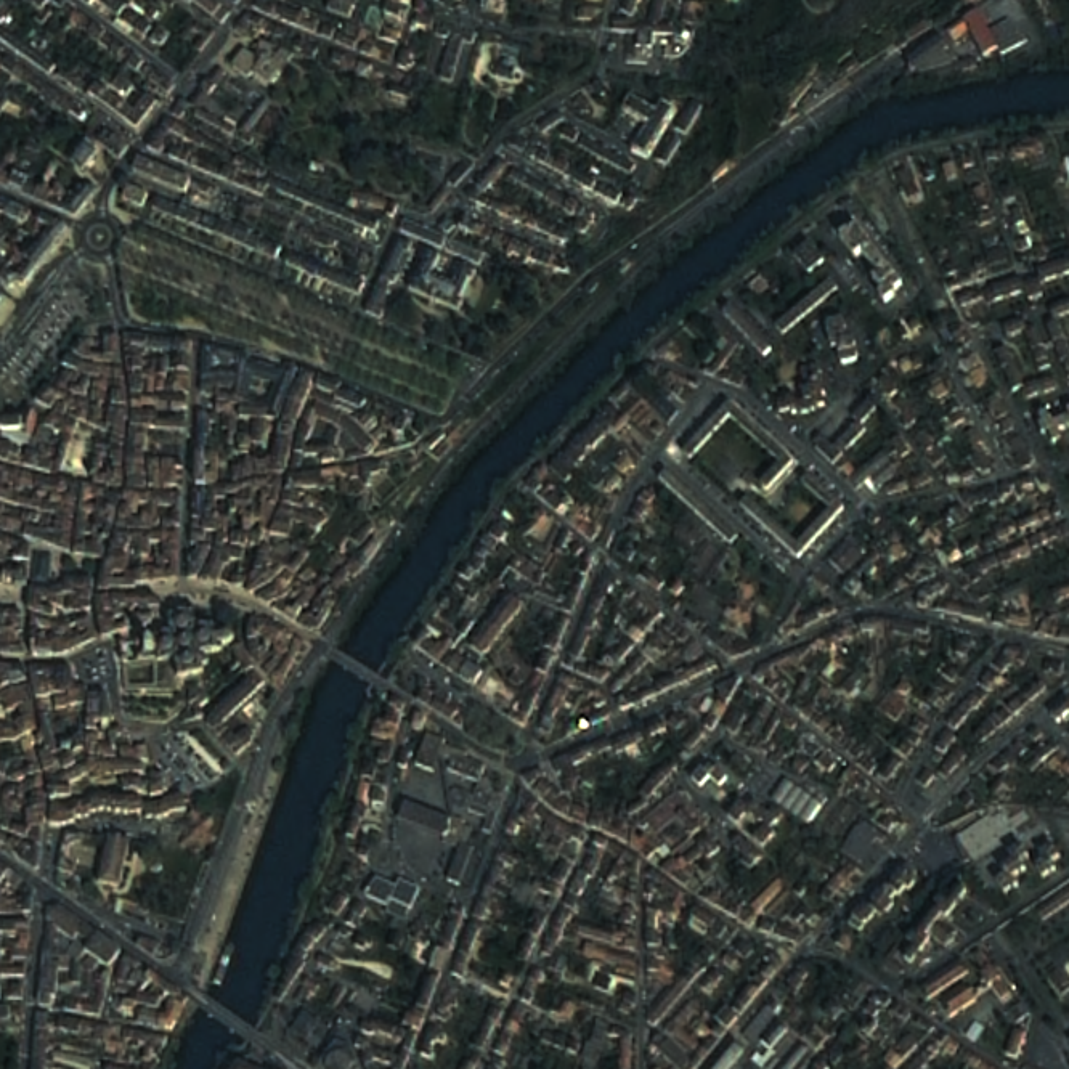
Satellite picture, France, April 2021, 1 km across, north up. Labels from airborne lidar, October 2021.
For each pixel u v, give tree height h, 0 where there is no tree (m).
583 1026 11
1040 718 0
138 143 0
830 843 17
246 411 0
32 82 0
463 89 7
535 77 16
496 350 9
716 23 6
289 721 11
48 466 0
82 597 0
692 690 0
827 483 0
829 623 0
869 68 0
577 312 12
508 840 7
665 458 0
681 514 7
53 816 0
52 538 0
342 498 7
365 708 8
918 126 0
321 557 8
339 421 0
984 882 0
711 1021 6
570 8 10
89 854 0
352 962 0
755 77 15
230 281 16
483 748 17
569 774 0
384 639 0
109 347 0
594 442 0
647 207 11
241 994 0
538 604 0
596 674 0
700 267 0
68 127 10
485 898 0
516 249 0
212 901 0
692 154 9
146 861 23
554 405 0
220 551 0
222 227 0
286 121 16
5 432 0
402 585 0
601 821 0
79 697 0
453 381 9
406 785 0
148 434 8
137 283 17
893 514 7
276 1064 6
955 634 7
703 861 7
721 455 0
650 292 0
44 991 0
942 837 0
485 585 6
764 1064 0
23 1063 0
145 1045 0
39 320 0
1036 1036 0
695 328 15
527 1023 7
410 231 0
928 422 6
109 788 0
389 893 0
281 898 0
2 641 0
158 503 0
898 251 9
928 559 9
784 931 0
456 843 0
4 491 0
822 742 0
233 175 0
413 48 10
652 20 0
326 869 10
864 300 0
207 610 8
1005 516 7
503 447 0
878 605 0
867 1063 9
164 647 0
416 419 9
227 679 11
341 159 0
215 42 0
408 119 9
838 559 0
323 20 7
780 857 11
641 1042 0
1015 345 0
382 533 0
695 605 8
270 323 13
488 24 0
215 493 0
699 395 0
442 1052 9
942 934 0
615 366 11
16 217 0
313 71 14
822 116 0
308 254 6
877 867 0
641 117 0
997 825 0
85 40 10
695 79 14
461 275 0
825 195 13
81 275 8
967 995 0
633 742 0
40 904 0
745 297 15
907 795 0
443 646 0
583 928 0
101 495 0
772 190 0
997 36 0
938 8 8
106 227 0
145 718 6
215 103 7
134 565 13
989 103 0
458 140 21
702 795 0
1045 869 0
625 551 0
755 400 0
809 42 13
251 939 0
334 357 17
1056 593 0
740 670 0
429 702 0
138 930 0
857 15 25
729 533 0
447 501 0
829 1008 0
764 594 12
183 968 0
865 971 0
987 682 0
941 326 11
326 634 0
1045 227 8
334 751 0
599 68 0
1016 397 7
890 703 0
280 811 0
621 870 0
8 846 0
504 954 9
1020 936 15
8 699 0
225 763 6
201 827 0
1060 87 0
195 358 0
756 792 0
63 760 0
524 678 0
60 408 0
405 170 22
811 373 0
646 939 0
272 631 0
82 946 0
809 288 12
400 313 22
